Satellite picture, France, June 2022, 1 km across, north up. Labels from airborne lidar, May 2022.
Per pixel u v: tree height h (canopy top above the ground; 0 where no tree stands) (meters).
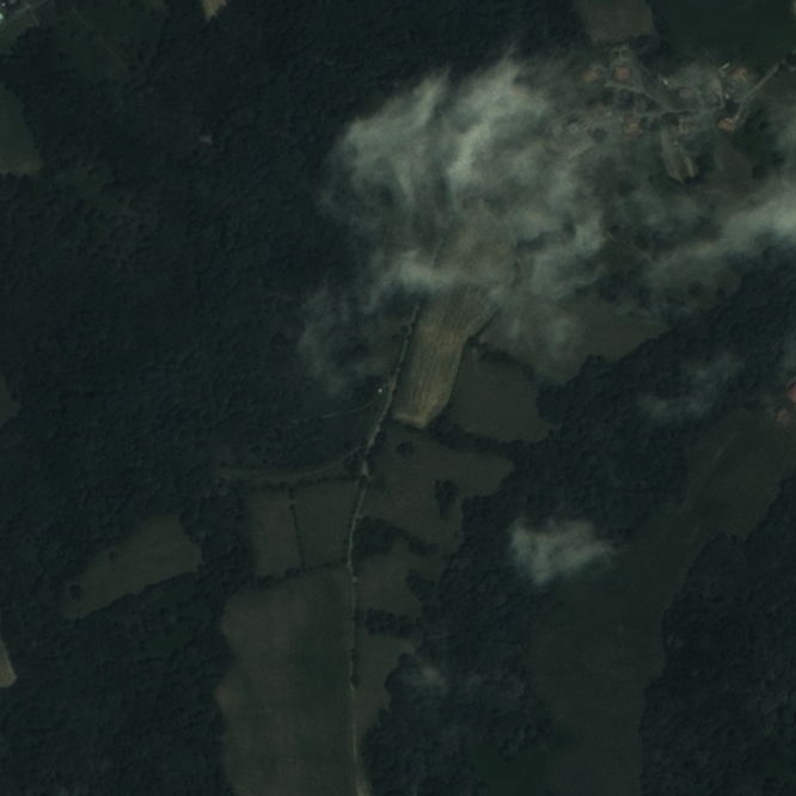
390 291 17
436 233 0
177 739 12
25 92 18
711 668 24
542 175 0
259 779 0
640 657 0
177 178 26
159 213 13
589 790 0
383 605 0
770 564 22
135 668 17
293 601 0
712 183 0
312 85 23
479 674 17
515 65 17
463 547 12
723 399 24
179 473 19
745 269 12
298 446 8
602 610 0
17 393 15
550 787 0
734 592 22
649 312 22
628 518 18
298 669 0
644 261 7
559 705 0
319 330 10
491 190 6
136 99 22
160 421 18
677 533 0
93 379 19
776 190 0
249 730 0
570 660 0
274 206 22
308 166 11
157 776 20
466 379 0
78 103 27
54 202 15
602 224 0
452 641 21
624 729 0
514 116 0
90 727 21
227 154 20
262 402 21
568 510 26
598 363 20
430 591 14
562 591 0
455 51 22
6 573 20
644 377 23
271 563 0
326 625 0
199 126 25
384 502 0
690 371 23
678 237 20
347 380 6
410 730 22
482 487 0
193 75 22
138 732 19
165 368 12
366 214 15
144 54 15
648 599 0
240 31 26
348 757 0
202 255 21
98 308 20
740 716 27
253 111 16
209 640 10
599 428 21
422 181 0
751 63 0
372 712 0
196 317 19
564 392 19
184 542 0
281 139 12
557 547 17
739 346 21
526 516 25
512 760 12
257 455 14
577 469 26
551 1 23
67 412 22
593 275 23
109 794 16
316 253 24
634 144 0
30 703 21
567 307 0
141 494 22
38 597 27
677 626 13
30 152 0
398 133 0
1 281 19
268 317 20
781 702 12
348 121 19
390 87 20
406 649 0
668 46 10
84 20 0
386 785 14
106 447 25
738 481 0
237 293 26
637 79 0
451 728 24
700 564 13
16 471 23
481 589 20
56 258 21
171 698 18
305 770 0
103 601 0
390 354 0
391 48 19
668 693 9
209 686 12
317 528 0
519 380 0
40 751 27
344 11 25
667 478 20
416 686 15
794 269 27
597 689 0
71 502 15
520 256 9
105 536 19
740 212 0
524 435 0
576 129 0
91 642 19
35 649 15
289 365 10
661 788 19
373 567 0
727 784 22
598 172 0
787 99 0
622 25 0
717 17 0
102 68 0
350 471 7
